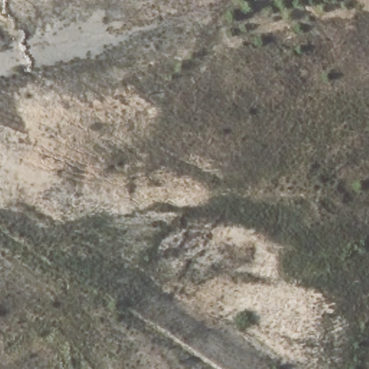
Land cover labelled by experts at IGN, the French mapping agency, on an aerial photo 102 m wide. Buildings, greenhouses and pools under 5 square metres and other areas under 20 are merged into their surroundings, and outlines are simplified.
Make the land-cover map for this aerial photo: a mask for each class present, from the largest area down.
<instances>
[{"label":"herbaceous vegetation","instance_id":"1","mask_svg":"<svg viewBox=\"0 0 369 369\"><path fill-rule=\"evenodd\" d=\"M353 9L356 14L352 19L333 17L324 20L317 19L307 12V6L300 4V0H53L52 12L42 14L39 6H33L35 17H20L32 35L36 33L37 20L42 22L40 30H45L46 26H53V19L58 17L61 22L59 29L65 30V27L71 26L72 23L91 19L95 10H104V23H123L121 27H108L107 32L111 35H123L124 30L151 23H157L156 29L138 32L118 45H104L98 55L86 52L85 58L58 61L53 65L37 66L30 63L14 66L12 75L0 74V130L3 127H10L14 131L25 133L26 125L23 123L22 115L17 111L14 94L27 84L42 88L50 79L61 86L68 84L69 95L76 97L79 92H92L98 101H105V98L111 97L124 105H127L134 95H138L146 99L151 107L157 108L154 123L148 124L153 138L148 140L143 135L135 133L131 137L130 146H115L111 141H105L104 147L95 144L94 150L101 153L107 166L99 174L108 177L112 173L125 177L128 193H134L137 173H144L147 176L160 167H169L177 177L189 176L197 180L208 189L209 196L208 202L202 205L176 206L172 203L156 202L147 208L133 209L130 213H125V218L133 219L135 215H144L148 212H174L176 218L169 223L154 221L123 225L115 223L112 215L107 212L61 223L22 200H16L17 208L22 209L20 213L0 208V369H369V0H356ZM257 14L262 19H271L272 22L283 20L284 29L258 35L255 30L258 25L249 20ZM222 27H226L232 36L241 37L244 43L239 48H229L226 45L221 52H213V46L218 45L222 39ZM202 49L208 50V55L203 58V65L192 69L190 78H180L176 86L170 89L169 82L172 81V76L182 69L184 59H189L193 52ZM218 226L254 229L255 234L265 236V241L283 245L278 252L277 270L283 274L285 283L293 284L295 280L297 287L317 291L326 298V303L336 304L333 313H324L321 316L320 326L323 333L320 339H293L285 334L284 340L288 346H303L301 353L306 356L303 365L301 362L290 365L291 360L287 356L272 359L255 349L251 342H246L245 336L254 334L249 332V327L259 323L254 311H241L234 320H228L225 316L216 317L213 313H202L200 307L205 300L197 293L202 290L203 284L213 278L225 275L235 284H264L267 280L265 277L252 274V264L257 251L252 242H244L241 246H219L221 261L212 265L197 261L206 254L203 249L192 258L187 257V251L199 246V238L203 239V245H208L212 239L213 229ZM180 229H184V235L179 246L164 251L159 249L164 238Z\"/></svg>","mask_w":369,"mask_h":369},{"label":"bare soil","instance_id":"2","mask_svg":"<svg viewBox=\"0 0 369 369\"><path fill-rule=\"evenodd\" d=\"M53 0H0V74L12 75L14 66L30 63L37 66L53 65L58 61L85 58L86 52L98 55L104 45H118L138 32L156 29L157 23H151L124 30L123 35H111L107 32L108 27H121L123 23H104V10H95L91 19L72 23L71 26L65 27V30L59 29L61 22L58 17L53 19V26H46L45 30H40L42 22L37 20L36 33L32 35L20 17H35L33 6H39L42 14L52 12ZM307 12L317 19L324 20L333 17L352 19L356 14L353 9L324 12L320 4L307 6ZM249 20L258 25L255 30L258 35L284 29L283 20L272 22L271 19H262L257 14ZM222 39L218 45L213 46V52H221L226 45L229 48H239L244 43L241 37L232 36L226 27H222ZM17 111L22 115L23 123L26 125L25 133L14 131L10 127H3L0 130V208L20 213L22 209L17 208L16 200H22L61 223L107 212L112 215L115 223L123 225L154 221L169 223L176 218L174 212H148L144 215H135L133 219L125 218V213H130L133 209L147 208L156 202L172 203L176 206L202 205L208 202L209 196L208 189L197 180L189 176L177 177L169 167H160L147 176L144 173H137L134 193H128L125 177L112 173L108 177L99 174L107 166L101 153L94 150L95 144L104 147L105 141H111L115 146H130L131 137L135 133L143 135L148 140L153 138L148 124L154 123L157 108L151 107L146 99L138 95H134L127 105H124L111 97L105 98V101H98L92 92H79L76 97L69 95L68 84L61 86L50 79L42 88L27 84L14 94ZM244 242H252L257 251L252 264V274L265 277L267 280L264 284H235L225 275L213 278L203 284L202 290L197 293L205 300L200 307L202 313H213L216 317L225 316L228 320H234L241 311H254L259 323L249 327V332L254 334L245 336L246 342H251L255 349L272 359L287 356L291 360L290 365L301 362L303 365L306 356L301 353L303 346H288L284 340L285 334L293 339H320L323 333L320 326L321 316L324 313H333L336 304L326 303V298L317 291L297 287L295 280L293 284L285 283L283 274L277 270L278 252L283 245L265 241V236L255 234L254 229L218 226L213 229L212 239L208 245H203V239L199 238V246L187 251V257L192 258L203 249L206 254L197 261L212 265L221 261L219 246H241ZM184 235V229H180L164 238L159 249L164 251L179 246Z\"/></svg>","mask_w":369,"mask_h":369},{"label":"brushwood","instance_id":"3","mask_svg":"<svg viewBox=\"0 0 369 369\"><path fill-rule=\"evenodd\" d=\"M208 55V50L202 49L193 52L189 59H184L182 69L172 76V81L169 82L170 89L176 86L180 78H190L192 69L203 65V58Z\"/></svg>","mask_w":369,"mask_h":369},{"label":"deciduous trees","instance_id":"4","mask_svg":"<svg viewBox=\"0 0 369 369\"><path fill-rule=\"evenodd\" d=\"M356 0H300V4L307 6L320 4L324 12L353 9Z\"/></svg>","mask_w":369,"mask_h":369}]
</instances>
